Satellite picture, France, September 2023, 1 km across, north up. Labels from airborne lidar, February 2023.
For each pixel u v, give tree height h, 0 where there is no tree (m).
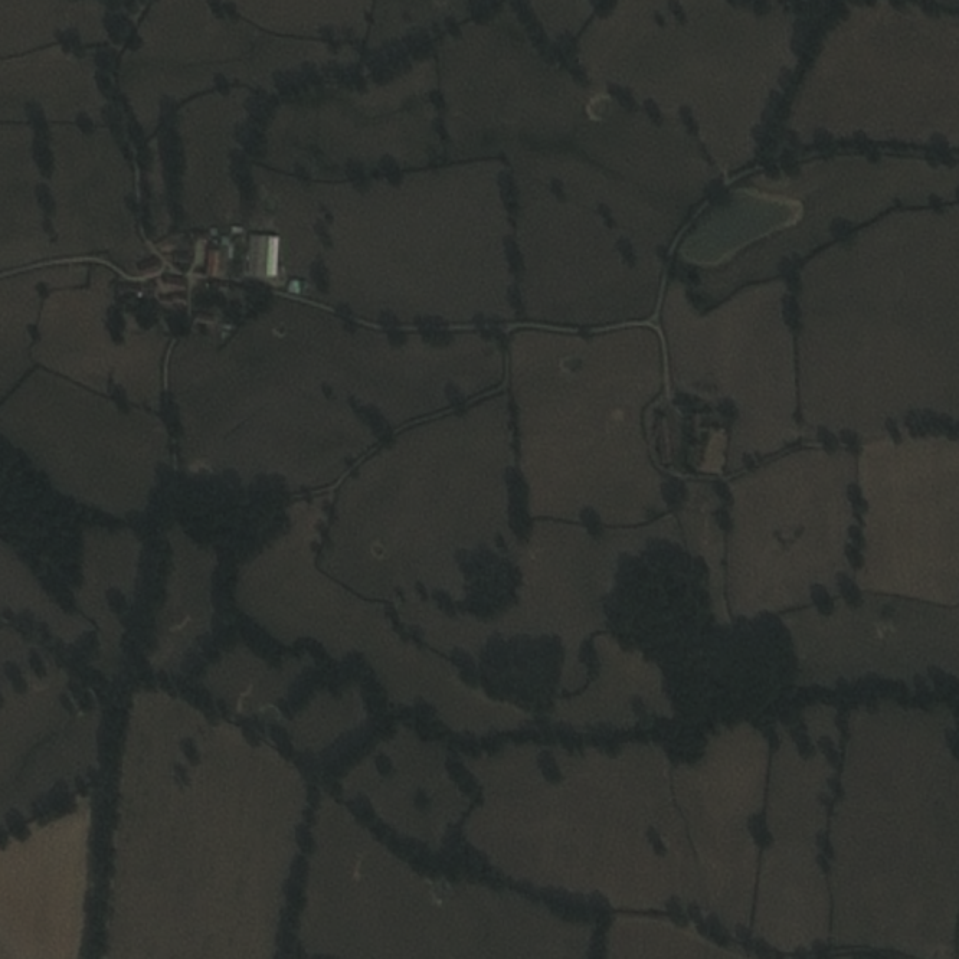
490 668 23
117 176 0
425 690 0
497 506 0
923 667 0
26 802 0
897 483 0
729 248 0
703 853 0
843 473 0
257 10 0
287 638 0
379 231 0
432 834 0
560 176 0
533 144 0
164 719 0
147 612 15
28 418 0
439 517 0
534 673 25
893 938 0
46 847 0
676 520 0
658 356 0
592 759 0
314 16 0
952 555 0
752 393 0
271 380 0
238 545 19
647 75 0
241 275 0
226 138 0
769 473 0
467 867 22
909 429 14
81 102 0
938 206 14
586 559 0
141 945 0
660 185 0
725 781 0
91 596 0
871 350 0
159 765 0
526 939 0
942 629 0
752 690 27
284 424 0
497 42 0
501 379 0
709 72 0
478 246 0
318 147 0
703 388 0
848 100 0
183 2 0
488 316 0
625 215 0
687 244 0
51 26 0
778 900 0
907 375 0
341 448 0
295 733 0
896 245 0
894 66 0
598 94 0
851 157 0
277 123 0
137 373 0
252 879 0
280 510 9
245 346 0
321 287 17
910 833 0
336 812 0
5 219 0
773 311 0
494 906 0
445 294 0
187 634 0
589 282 0
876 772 0
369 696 18
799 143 17
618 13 0
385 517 0
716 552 0
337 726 0
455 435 0
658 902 0
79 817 0
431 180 0
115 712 17
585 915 18
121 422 0
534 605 0
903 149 7
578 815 0
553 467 0
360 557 0
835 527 0
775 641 25
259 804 0
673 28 0
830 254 0
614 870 0
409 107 0
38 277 0
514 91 0
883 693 22
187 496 25
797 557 0
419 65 0
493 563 17
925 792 0
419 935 0
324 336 0
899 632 0
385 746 0
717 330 0
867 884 0
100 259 0
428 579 0
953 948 0
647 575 14
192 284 0
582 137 0
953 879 0
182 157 18
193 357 0
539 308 0
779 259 0
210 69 0
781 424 0
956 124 0
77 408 0
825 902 0
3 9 0
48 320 0
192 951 0
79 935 0
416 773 0
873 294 0
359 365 0
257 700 0
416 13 0
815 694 10
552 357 0
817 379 0
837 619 0
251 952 0
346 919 0
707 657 26
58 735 0
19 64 0
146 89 0
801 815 0
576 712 0
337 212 0
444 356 0
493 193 0
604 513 0
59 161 0
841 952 0
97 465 0
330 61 0
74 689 14
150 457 0
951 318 0
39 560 14
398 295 0
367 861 0
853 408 0
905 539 0
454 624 0
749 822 0
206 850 0
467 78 0
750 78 0
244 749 0
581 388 0
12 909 0
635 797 0
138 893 0
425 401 0
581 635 0
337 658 0
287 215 0
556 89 0
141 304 12
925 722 0
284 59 0
